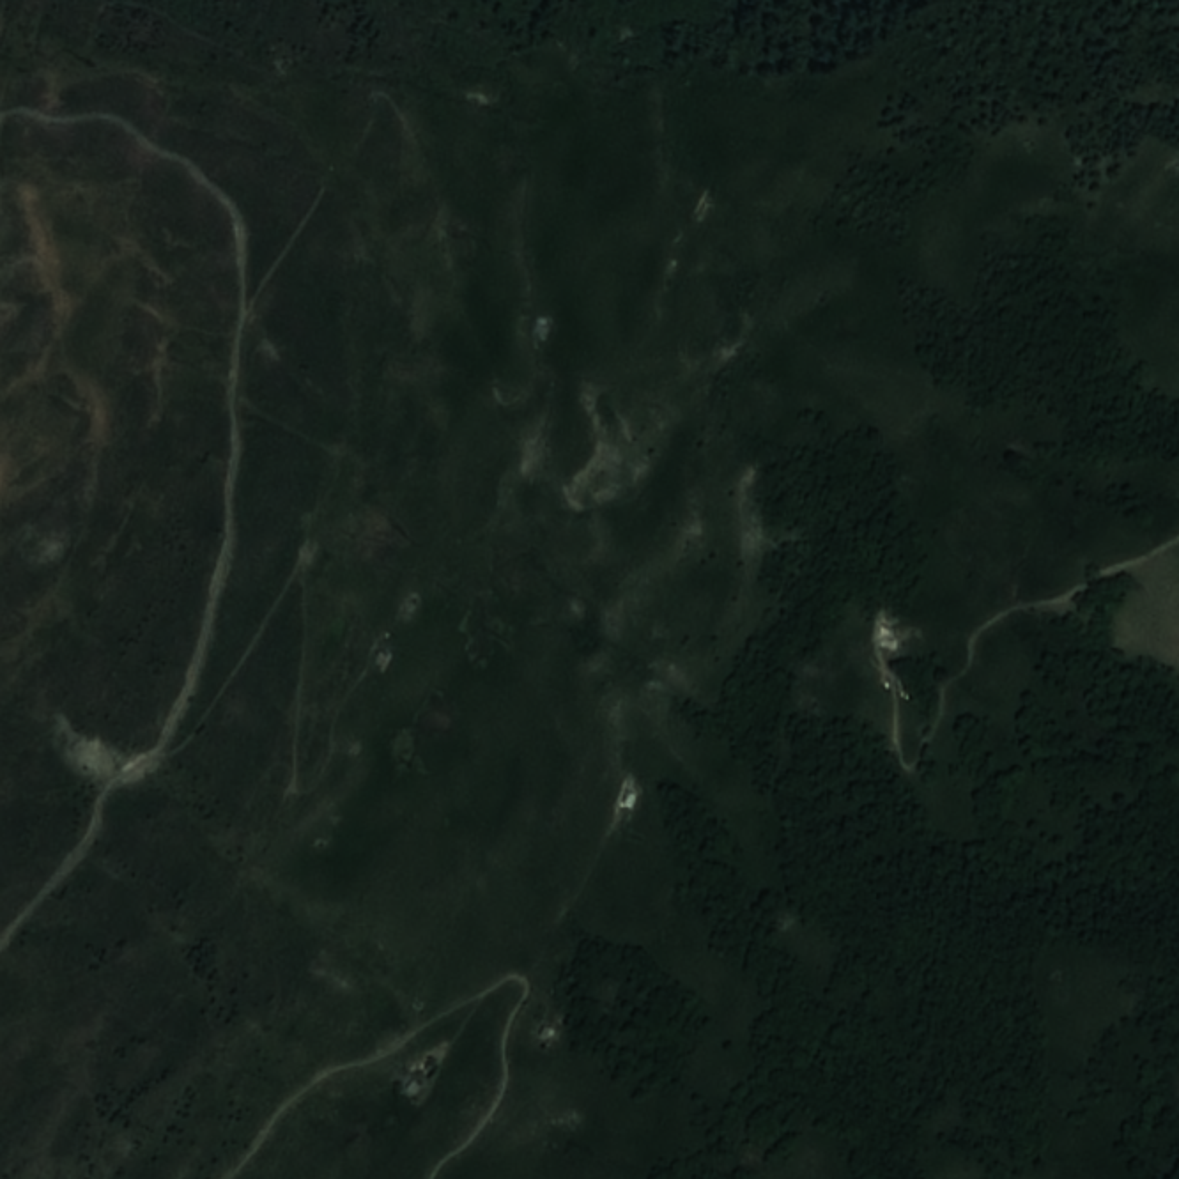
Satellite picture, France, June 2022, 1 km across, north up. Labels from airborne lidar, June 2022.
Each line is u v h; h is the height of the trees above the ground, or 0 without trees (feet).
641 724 0
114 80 0
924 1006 31
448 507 0
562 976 25
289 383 0
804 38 18
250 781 0
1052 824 0
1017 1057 34
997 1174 24
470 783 0
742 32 69
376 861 0
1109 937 36
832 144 0
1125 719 47
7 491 0
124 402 0
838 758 35
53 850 0
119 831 0
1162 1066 20
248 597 0
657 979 25
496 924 0
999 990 41
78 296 0
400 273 0
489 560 0
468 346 0
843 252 0
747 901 22
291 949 0
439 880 0
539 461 0
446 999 0
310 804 0
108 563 0
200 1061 0
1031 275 27
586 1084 0
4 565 0
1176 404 34
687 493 0
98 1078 0
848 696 0
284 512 0
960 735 37
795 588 31
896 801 37
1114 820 40
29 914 0
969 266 0
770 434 0
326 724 0
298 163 0
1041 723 59
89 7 0
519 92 0
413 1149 0
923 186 28
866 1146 31
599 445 0
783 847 24
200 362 0
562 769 0
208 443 0
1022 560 0
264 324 0
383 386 0
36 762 0
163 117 0
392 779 0
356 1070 0
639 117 0
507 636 0
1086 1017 0
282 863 0
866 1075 28
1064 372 28
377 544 0
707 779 0
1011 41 29
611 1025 27
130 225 0
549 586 0
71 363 0
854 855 59
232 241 0
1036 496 0
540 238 0
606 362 0
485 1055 0
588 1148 0
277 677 0
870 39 62
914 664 43
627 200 0
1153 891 31
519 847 0
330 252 0
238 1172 0
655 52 20
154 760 0
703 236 0
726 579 0
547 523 0
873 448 26
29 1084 0
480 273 0
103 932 0
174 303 0
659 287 0
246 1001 0
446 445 0
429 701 0
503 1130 0
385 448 0
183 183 0
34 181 0
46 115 0
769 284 0
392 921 0
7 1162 0
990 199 0
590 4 23
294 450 0
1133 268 0
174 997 0
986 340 27
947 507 0
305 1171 0
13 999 0
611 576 0
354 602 0
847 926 31
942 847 47
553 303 0
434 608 0
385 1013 0
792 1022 37
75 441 0
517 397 0
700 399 0
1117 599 45
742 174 0
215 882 0
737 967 26
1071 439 25
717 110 0
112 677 0
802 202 0
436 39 24
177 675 0
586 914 0
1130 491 37
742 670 36
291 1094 0
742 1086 26
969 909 31
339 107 0
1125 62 40
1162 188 0
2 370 0
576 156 0
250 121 0
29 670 0
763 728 50
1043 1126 32
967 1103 27
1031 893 22
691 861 32
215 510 0
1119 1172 0
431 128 0
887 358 0
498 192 0
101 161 0
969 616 0
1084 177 36
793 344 0
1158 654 0
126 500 0
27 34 0
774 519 29
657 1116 0
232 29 30
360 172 0
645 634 0
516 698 0
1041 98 22
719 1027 0
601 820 0
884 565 36
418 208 0
